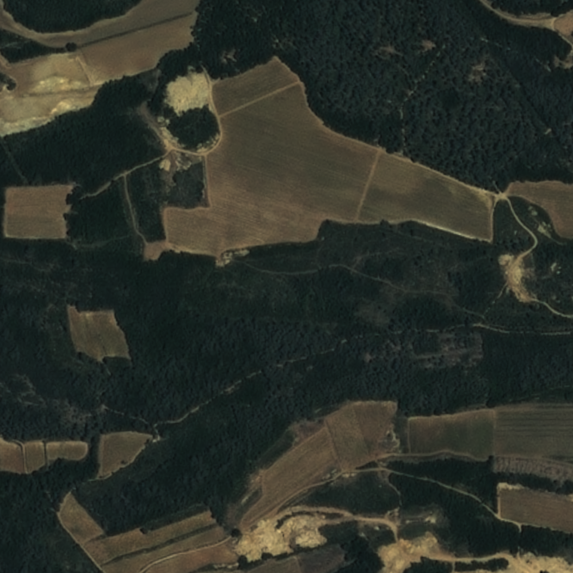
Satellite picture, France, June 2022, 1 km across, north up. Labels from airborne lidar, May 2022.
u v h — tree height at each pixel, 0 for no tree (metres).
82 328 0
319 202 0
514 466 0
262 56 12
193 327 13
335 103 17
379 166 0
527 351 8
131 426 7
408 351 16
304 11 17
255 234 0
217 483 11
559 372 17
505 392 9
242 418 14
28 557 19
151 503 15
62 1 6
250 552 0
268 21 10
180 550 0
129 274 7
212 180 0
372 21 19
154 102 11
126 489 9
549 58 10
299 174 0
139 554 0
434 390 14
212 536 0
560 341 6
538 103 22
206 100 0
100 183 8
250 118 0
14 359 15
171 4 0
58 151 6
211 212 0
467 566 8
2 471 8
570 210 0
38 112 0
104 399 10
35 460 0
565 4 13
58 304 8
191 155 0
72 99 0
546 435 0
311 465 0
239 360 11
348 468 0
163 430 10
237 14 13
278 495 0
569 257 13
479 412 0
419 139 19
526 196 0
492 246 0
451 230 0
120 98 9
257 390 6
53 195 0
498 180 12
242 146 0
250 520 0
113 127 8
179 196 0
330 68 21
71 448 0
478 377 7
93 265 6
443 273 0
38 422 15
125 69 0
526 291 0
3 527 12
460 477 7
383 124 10
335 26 18
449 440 0
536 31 16
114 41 0
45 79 0
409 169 0
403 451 0
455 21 20
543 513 0
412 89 14
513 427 0
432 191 0
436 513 0
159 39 0
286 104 0
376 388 19
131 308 12
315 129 0
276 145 0
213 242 0
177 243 0
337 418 0
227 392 6
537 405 0
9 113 0
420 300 9
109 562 0
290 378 15
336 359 7
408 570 9
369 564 11
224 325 14
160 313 8
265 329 9
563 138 21
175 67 8
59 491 17
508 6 9
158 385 17
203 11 10
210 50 7
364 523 0
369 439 0
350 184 0
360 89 19
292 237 0
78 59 0
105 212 10
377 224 0
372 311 0
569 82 13
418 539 0
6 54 7
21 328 9
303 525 0
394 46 15
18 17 10
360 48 16
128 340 11
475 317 13
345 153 0
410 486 8
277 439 9
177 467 12
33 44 9
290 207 0
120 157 7
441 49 15
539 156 20
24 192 0
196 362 11
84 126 8
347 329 6
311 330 16
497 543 10
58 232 0
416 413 15
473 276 7
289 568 0
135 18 0
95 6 8
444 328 7
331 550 0
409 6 19
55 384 7
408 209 0
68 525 0
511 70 7
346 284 8
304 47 17
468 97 20
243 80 0
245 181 0
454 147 16
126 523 15
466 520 6
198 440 8
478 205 0
